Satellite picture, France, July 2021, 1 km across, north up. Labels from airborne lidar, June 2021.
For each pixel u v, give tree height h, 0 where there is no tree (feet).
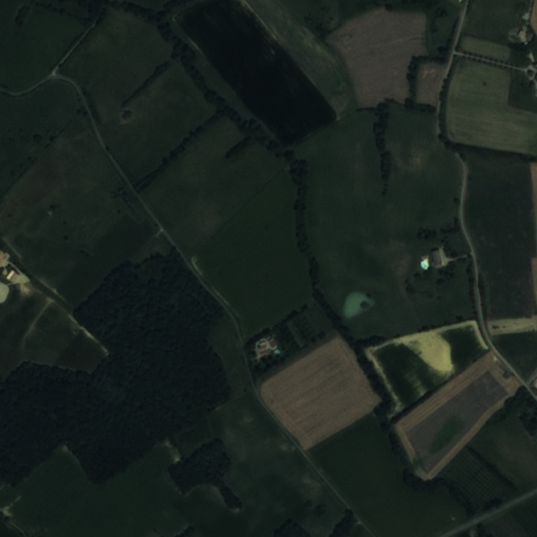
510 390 0
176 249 45
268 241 0
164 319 66
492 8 0
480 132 0
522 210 0
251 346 29
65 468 0
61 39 0
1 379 44
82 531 0
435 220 0
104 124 0
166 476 0
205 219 0
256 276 0
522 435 0
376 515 0
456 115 0
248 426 0
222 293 0
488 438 0
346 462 0
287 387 0
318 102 0
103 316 64
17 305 0
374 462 0
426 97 0
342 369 0
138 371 31
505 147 0
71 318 0
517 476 0
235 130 0
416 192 0
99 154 0
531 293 0
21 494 0
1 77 0
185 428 44
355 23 0
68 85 0
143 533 0
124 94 0
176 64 0
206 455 71
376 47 0
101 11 19
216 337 0
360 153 0
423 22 0
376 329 0
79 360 0
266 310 0
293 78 0
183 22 0
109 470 57
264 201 0
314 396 0
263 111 0
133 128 0
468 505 28
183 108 0
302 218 24
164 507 0
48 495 0
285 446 0
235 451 0
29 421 63
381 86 0
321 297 29
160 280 20
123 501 0
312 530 0
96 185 0
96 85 0
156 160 0
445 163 0
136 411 35
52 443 64
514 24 0
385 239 0
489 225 0
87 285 0
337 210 0
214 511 0
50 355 0
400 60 0
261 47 0
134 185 26
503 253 0
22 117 0
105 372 61
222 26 0
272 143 44
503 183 0
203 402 60
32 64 0
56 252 0
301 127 0
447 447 0
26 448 65
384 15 0
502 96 0
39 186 0
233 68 0
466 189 0
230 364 0
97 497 0
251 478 0
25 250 0
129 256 0
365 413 0
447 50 39
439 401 0
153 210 0
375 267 0
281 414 0
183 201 0
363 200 0
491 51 0
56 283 0
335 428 0
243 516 0
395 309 0
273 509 0
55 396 58
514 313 0
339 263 0
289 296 0
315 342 47
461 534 0
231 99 0
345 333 39
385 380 0
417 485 76
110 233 0
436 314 0
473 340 0
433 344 0
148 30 0
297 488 0
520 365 0
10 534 0
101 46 0
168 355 77
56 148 0
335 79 0
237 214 0
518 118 0
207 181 0
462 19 0
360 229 0
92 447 60
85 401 48
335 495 0
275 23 0
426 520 0
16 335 0
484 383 0
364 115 0
